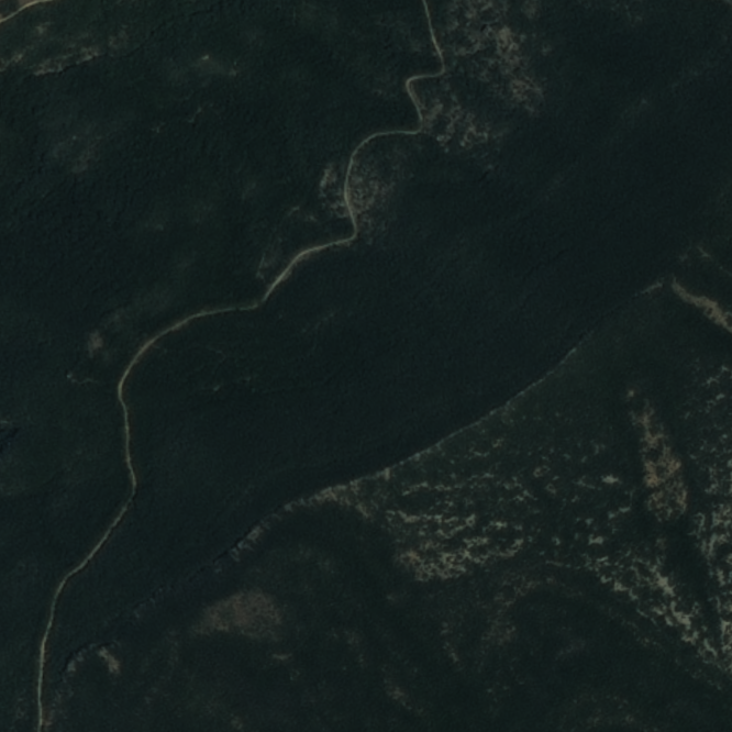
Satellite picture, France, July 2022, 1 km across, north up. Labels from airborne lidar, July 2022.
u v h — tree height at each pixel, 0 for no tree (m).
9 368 8
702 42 6
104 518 8
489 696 6
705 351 6
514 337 6
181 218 6
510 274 9
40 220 11
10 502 10
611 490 6
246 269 6
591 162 5
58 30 8
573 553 6
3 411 8
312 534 6
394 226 6
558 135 6
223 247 6
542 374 6
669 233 6
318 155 6
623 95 7
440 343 6
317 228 6
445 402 5
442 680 6
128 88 6
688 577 8
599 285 5
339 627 6
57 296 9
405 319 10
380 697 7
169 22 13
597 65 7
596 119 7
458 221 6
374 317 8
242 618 0
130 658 5
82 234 9
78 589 6
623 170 7
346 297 8
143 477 6
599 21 8
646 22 6
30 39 7
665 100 5
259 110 7
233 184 7
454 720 8
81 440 5
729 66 7
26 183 6
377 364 6
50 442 7
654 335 7
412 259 7
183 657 6
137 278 10
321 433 9
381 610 6
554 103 6
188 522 6
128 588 6
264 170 6
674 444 6
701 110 8
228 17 9
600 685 5
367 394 9
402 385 6
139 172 6
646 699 6
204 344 5
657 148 9
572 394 7
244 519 7
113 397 7
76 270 9
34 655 7
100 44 6
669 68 7
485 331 6
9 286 9
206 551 7
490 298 11
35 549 8
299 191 7
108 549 5
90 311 9
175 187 7
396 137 6
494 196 10
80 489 7
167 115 7
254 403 7
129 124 6
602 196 7
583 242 6
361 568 7
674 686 6
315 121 6
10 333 8
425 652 7
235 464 6
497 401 5
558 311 5
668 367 7
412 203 6
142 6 8
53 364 6
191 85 6
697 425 7
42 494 7
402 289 9
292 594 6
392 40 8
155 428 8
